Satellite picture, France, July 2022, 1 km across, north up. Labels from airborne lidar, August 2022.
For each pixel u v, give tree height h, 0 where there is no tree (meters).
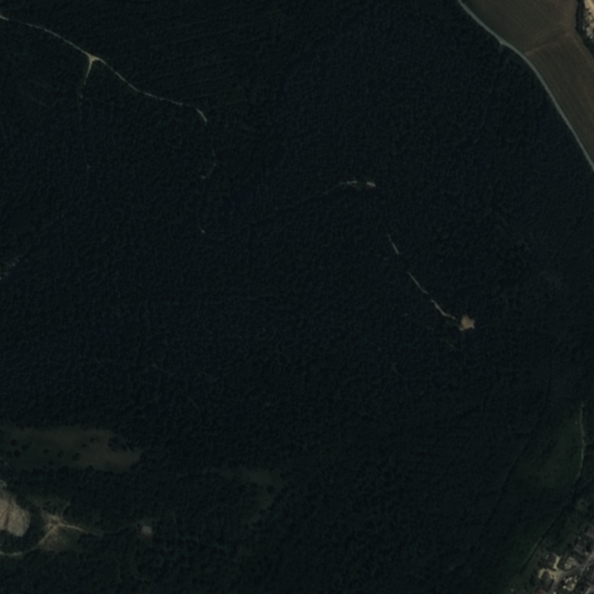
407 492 20
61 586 13
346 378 18
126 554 12
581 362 15
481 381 25
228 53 11
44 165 32
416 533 22
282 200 23
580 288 15
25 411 19
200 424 18
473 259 26
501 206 23
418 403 25
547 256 22
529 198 24
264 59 10
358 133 26
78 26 9
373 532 7
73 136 21
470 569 19
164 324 26
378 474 15
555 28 0
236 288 34
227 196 8
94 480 14
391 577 17
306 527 16
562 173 23
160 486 14
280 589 14
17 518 0
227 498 17
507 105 17
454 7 18
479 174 31
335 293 27
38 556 9
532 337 16
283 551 18
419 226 33
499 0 0
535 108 12
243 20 10
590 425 15
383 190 25
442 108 31
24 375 30
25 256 21
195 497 12
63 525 0
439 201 36
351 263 28
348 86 28
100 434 0
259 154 16
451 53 28
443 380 28
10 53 5
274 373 19
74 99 20
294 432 15
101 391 16
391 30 25
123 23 10
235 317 28
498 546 15
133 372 28
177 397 24
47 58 11
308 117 27
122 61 9
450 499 20
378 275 31
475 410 18
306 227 28
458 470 18
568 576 0
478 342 31
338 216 26
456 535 17
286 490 10
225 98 8
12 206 26
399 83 22
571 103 0
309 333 27
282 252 31
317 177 28
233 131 25
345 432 20
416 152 30
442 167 37
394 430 15
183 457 18
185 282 26
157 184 17
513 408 17
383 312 31
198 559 17
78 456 6
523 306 11
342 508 18
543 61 0
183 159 22
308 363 22
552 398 16
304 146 33
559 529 8
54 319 30
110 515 10
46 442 0
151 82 7
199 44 12
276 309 30
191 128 16
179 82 10
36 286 26
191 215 32
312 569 26
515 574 7
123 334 30
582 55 0
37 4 11
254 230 30
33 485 12
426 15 16
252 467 20
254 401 19
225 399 21
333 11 15
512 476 10
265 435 17
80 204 28
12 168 7
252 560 10
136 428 27
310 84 27
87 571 8
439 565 15
